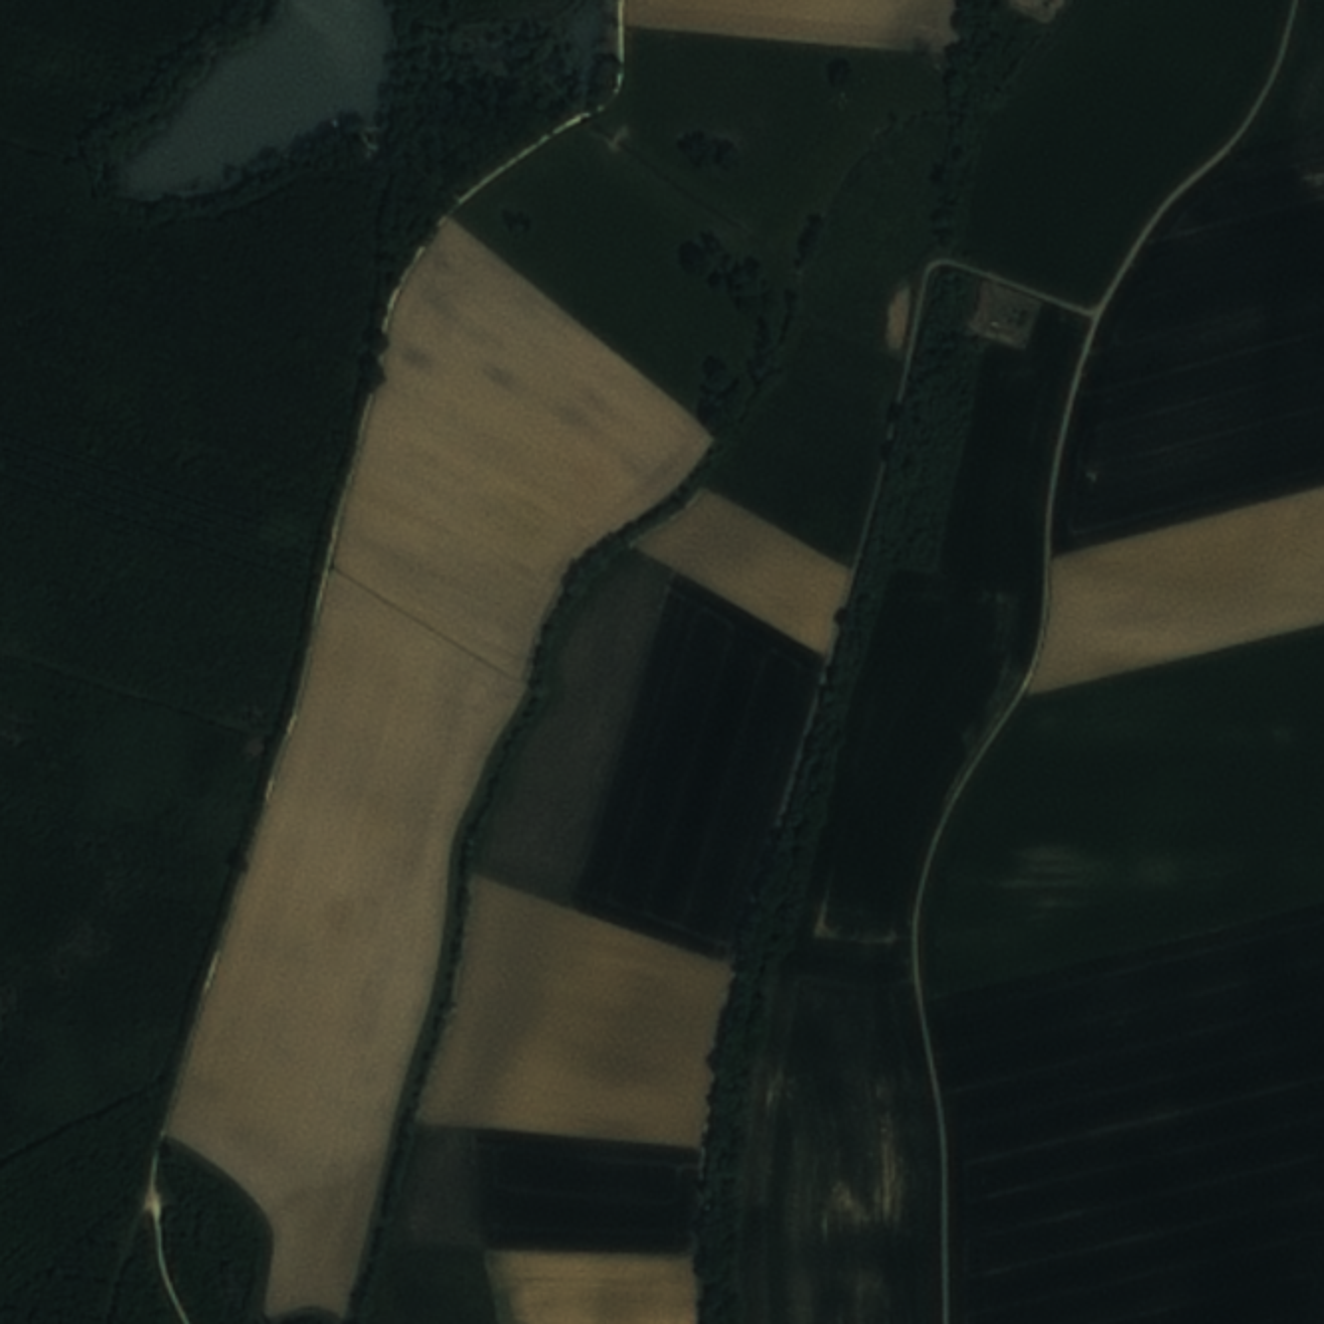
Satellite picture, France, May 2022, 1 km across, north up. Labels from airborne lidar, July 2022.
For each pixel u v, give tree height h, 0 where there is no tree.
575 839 0
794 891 8
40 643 7
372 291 9
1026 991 0
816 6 0
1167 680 0
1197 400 0
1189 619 0
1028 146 0
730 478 0
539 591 0
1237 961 0
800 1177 0
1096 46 0
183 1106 0
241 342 8
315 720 0
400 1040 0
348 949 0
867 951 0
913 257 0
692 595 0
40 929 6
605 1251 0
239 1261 12
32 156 9
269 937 0
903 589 0
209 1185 7
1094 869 0
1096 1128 0
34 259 8
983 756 0
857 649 10
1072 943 0
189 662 9
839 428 0
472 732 0
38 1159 11
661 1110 0
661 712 0
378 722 0
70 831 8
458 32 11
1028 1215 0
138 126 16
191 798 8
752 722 0
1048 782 0
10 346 9
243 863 18
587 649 0
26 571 8
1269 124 0
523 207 0
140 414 7
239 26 20
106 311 8
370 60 0
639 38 0
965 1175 0
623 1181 0
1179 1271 0
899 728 0
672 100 0
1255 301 0
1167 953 0
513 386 0
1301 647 0
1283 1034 0
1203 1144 0
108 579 7
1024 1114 0
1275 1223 0
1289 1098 0
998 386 0
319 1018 0
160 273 8
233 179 11
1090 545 0
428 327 0
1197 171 0
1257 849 0
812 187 0
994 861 0
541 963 0
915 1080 0
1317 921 0
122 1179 10
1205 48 0
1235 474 0
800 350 0
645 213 0
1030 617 0
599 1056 0
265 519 10
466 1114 0
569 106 15
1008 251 0
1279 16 0
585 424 0
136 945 6
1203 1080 0
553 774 0
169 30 7
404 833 0
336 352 9
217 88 0
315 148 17
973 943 0
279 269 10
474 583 0
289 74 0
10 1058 8
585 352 0
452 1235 0
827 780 13
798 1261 0
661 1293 0
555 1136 0
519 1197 0
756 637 0
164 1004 8
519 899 0
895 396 0
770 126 0
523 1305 0
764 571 0
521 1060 0
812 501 0
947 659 0
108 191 11
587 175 0
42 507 8
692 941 0
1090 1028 0
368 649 0
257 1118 0
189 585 7
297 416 8
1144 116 0
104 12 6
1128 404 0
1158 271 0
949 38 0
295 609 7
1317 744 0
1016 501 0
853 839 0
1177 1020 0
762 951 16
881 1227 0
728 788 0
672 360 0
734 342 0
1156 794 0
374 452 0
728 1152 11
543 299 0
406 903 0
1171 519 0
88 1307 16
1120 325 0
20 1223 11
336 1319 0
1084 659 0
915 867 0
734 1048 18
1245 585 0
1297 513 0
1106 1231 0
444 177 22
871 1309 0
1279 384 0
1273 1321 0
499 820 0
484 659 0
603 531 0
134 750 9
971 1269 0
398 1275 0
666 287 0
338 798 0
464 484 0
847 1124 0
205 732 8
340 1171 0
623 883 0
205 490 7
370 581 0
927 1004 0
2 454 9
